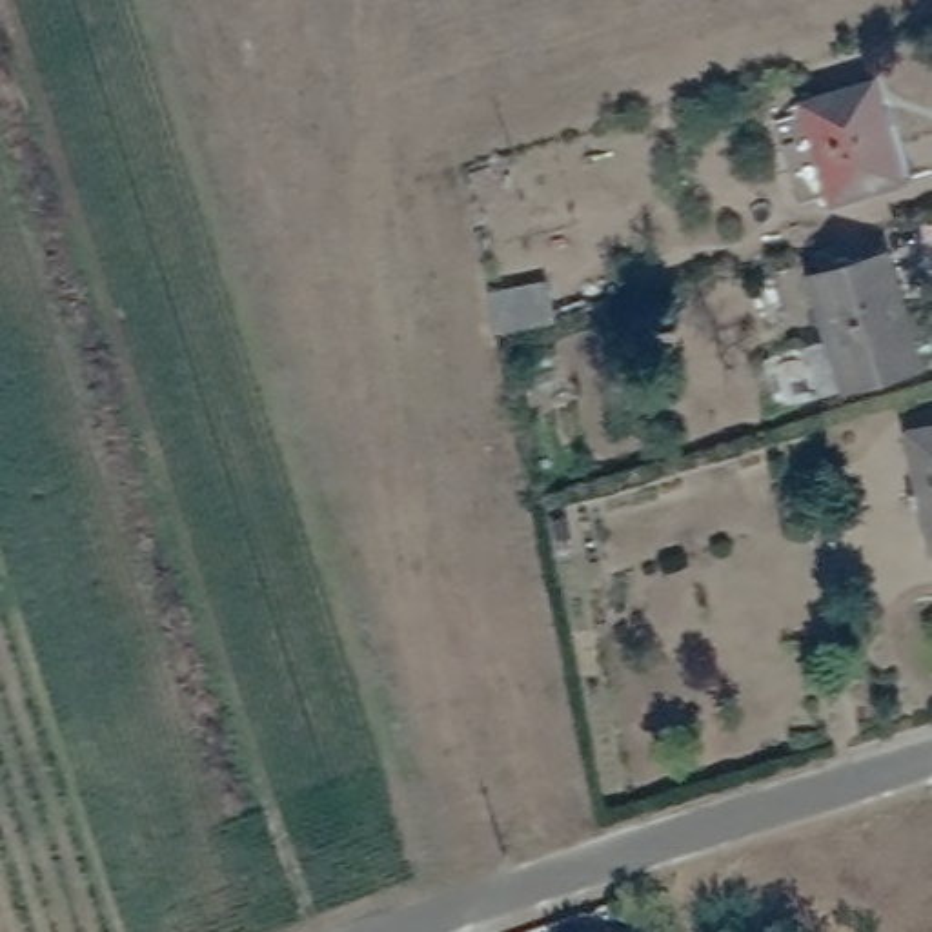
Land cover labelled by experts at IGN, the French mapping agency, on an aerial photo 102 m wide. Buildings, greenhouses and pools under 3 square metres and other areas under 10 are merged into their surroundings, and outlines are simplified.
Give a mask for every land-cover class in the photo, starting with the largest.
<instances>
[{"label":"agricultural land","instance_id":"1","mask_svg":"<svg viewBox=\"0 0 932 932\"><path fill-rule=\"evenodd\" d=\"M932 29V0H0V932H350L353 925H379L390 910H408L426 899L451 896L459 888L506 881L499 866L506 859H539L553 848L575 845L601 830L575 746L550 597L535 553V524L532 513L521 506L524 466L513 444V430L510 415L499 408L502 360L499 339L491 331V291L484 280L481 251H495V237L488 226H470L466 218V211H484V200L470 186V175L462 171V160L484 149H502L524 138L593 124L597 109L626 113L648 106L655 98L674 95L703 98L717 84L739 87L772 69L797 73L805 84L816 69L856 62L859 44L899 40Z\"/></svg>","mask_w":932,"mask_h":932},{"label":"herbaceous vegetation","instance_id":"2","mask_svg":"<svg viewBox=\"0 0 932 932\"><path fill-rule=\"evenodd\" d=\"M870 84L881 98L899 95L932 106V29L899 40L896 66L870 80ZM674 124V95L655 98L648 106V120L641 131L593 135L513 157L506 178L491 175L488 167L470 175V186L484 200V211H466V218L470 226H488L495 237V251H481L484 280L491 291L546 280L557 299L572 291L597 295L608 284L604 258L612 244H626L670 266L706 251H735L746 262H754L765 244L754 222V197L765 193L768 182L735 178L728 164L732 138L714 135L695 164V178L710 197V208L739 211L743 237H721L717 229L684 233L674 204L652 182V146L659 131ZM885 251L877 226L826 218L823 229L805 244L801 269L772 273L761 295H750L732 269L717 266L710 277L714 288L677 313V328L663 331V342L681 346L684 357V393L677 400V415L684 419V430L692 437L684 444V459L692 466L670 470L663 477L648 473L637 488H619L597 499L568 502V513L553 517V557L564 586L583 703L590 717L601 786L608 790V808L670 794L666 779L652 754V732L677 724L699 721V761L706 768L695 772L699 783H714L743 768H757L765 761H783L786 728L805 721V674L797 663L801 655H812L819 644H863L870 663L896 670L899 703V710L917 714L921 724H932V583L910 586L899 593V601L881 608L870 641H859L841 623L808 615V604L819 597L823 586H845V579H863L870 572L859 550L845 546H819L812 535L801 542L786 539L772 484L765 448H746L735 459H703L724 444L779 433L794 422L826 411L819 400L786 408L775 419H761L746 357L754 346L779 339L786 328L808 324L805 273H830ZM637 608L655 630V644L644 652L623 648L615 641V623L630 619ZM684 633L706 637L717 666L728 674L714 695L692 688L684 677ZM586 339L579 331L564 335L553 346V353L539 364V379L528 390V404L539 408V415L557 422V441H586L593 459H619L637 451L641 437L612 441L604 433L597 390L601 371L586 357ZM845 462L841 451L826 437H812L790 451V466L819 473L823 466L834 470ZM648 874L663 881V892L674 903V932H932V775L735 841L659 859ZM732 877H743L746 885H765L761 907L750 917H743L739 910H724L717 921L695 928V888ZM644 874L615 870L601 896L557 907L542 917H528L499 932H630V925L604 917L608 907L619 899V888H637Z\"/></svg>","mask_w":932,"mask_h":932},{"label":"deciduous trees","instance_id":"3","mask_svg":"<svg viewBox=\"0 0 932 932\"><path fill-rule=\"evenodd\" d=\"M899 40L859 44L856 62L866 69L870 80L896 66ZM772 87H786L794 95L805 84L797 73L772 69L739 87L717 84L703 98L674 95V124L659 131L652 146V182L674 204L684 233L717 229L721 237H743L739 211L710 208V197L695 178V164L714 135L732 138L728 164L735 178L768 182L775 175V153L772 135L761 127V109ZM648 120V106L626 113L597 109L593 124V135L641 131ZM608 284L597 295L586 339V357L601 371L597 390L604 433L612 441L641 437L637 451L641 470L648 473L663 477L670 470L692 466L684 459V444L692 437L684 430V419L677 415V400L684 393V357L681 346L663 342V331L677 328V313L670 266L626 244H612L604 258ZM910 284H917V299H910L907 306V313H914V342H932V244H921L903 258ZM539 379V364L502 360L499 408L510 415L513 430L532 426L539 415V408L528 404V390ZM786 539L801 542L812 535L819 546H845V528H852L863 513V484L848 473L845 462L834 470L823 466L819 473L790 466L772 484ZM881 608L870 572L863 579H845V586H823L819 597L808 604V615L841 623L859 641H870ZM615 641L623 648L644 652L655 644V630L637 608L630 619L615 623ZM684 677L692 688L714 695L728 674L717 666L706 637L684 633ZM797 663L805 674V692L819 695V703L841 692L866 699L874 706L899 703L896 670L870 663L863 644H819L812 655H801ZM652 754L666 779H684L688 772H695L706 768L699 761V721L677 724L652 732ZM630 925V932H674V903L663 892V881L648 874H644L637 888H619V899L608 907L604 917ZM765 885H746L743 877H732L695 888V928L717 921L724 910H739L743 917H750L761 907Z\"/></svg>","mask_w":932,"mask_h":932},{"label":"brushwood","instance_id":"4","mask_svg":"<svg viewBox=\"0 0 932 932\"><path fill-rule=\"evenodd\" d=\"M593 135V124L524 138L502 149H484L462 160V171L470 175L488 167L491 175L506 178L513 157ZM925 226H932V189L892 204V215L877 226L885 251L899 248L907 237H917L925 233ZM805 244H765L754 262H746L735 251H706L670 266L677 313L714 288L710 277L717 266L732 269L750 295H761L772 273L801 269ZM597 295L572 291L557 299L550 324L499 339L502 360L539 364L553 353V346L564 335L579 331L586 339ZM819 328L808 324L786 328L779 339L754 346L746 357L761 419H775L786 408L775 404V386L768 382L765 360L786 350L816 346ZM921 404H932V382L826 411L794 422L779 433L724 444L703 459H735L746 448H765L772 484L790 466V451L812 437H826L841 451L852 444V419L870 411H892L896 419H903ZM513 444L524 466L521 506L532 513L535 524V553L550 597L575 746L601 830L637 819L644 812H659L703 794L732 790L754 779H768L783 768H801L808 761L830 757L834 743L819 717V695L805 692V721L786 728L783 761H765L757 768H743L714 783H699L695 772H688L684 779H666L670 794L608 808V790L601 786L590 717L583 703L564 586L553 557V517L568 513V502L597 499L619 488H637L648 473L641 470L637 451L619 459H593L586 441H557V422L539 415L532 426L513 430ZM921 724L917 714L899 710V703L874 706L866 699L859 706V735L866 743Z\"/></svg>","mask_w":932,"mask_h":932},{"label":"impervious surface","instance_id":"5","mask_svg":"<svg viewBox=\"0 0 932 932\"><path fill-rule=\"evenodd\" d=\"M870 84V80L866 69L856 62L816 69L805 84L794 95L801 106H808L819 95ZM768 382L775 386V404L786 408L819 400L834 397V375L816 346L786 350L765 360ZM866 699L841 692L819 703V717L834 743L830 757L808 761L801 768H783L768 779H754L732 790L703 794L659 812H644L637 819L601 830L575 845L553 848L539 859H506L499 866L506 881L459 888L451 896L426 899L408 910H390L379 925H353L350 932H499L528 917H542L557 907L601 896L615 870L644 874H648L659 859L735 841L932 775V724H921L866 743L859 735V706Z\"/></svg>","mask_w":932,"mask_h":932},{"label":"pervious surface","instance_id":"6","mask_svg":"<svg viewBox=\"0 0 932 932\"><path fill-rule=\"evenodd\" d=\"M888 106V138L903 175V186L896 189H888L885 178L874 175L826 189L819 182V171L812 167V142H794L790 135V127H797V117L808 106H801L794 95L786 87H772L761 109V127L772 135L775 153V175L768 182L765 193L754 197V222L765 244H805L823 229L826 218L877 226L892 215V204L932 189V106L899 95L881 98ZM921 244H932V226H925V233L917 237H907L899 248L885 251L888 284L896 299L907 306L910 299H917V284H910L903 258ZM932 426V404H921L903 419H896L892 411H870L852 419V444L841 451L845 462L848 473L863 484V513L852 528H845V546L859 550L870 572L881 608L899 601V593L910 586L932 583V542H925L917 524V499L903 491V430Z\"/></svg>","mask_w":932,"mask_h":932},{"label":"building","instance_id":"7","mask_svg":"<svg viewBox=\"0 0 932 932\"><path fill-rule=\"evenodd\" d=\"M790 135L794 142H812V167L819 171V182L826 189L874 175L885 178L888 189H896L903 186V175L888 138V106L881 98L870 84L819 95L797 117V127H790ZM808 324L819 328L816 346L834 375V397L819 400L826 411L932 382V342H914V313H907V306L896 299L888 284L885 251L830 273H805ZM557 299L546 280L491 291V331L499 339L550 324ZM903 491L917 499V524L925 542H932V426L903 430Z\"/></svg>","mask_w":932,"mask_h":932}]
</instances>
